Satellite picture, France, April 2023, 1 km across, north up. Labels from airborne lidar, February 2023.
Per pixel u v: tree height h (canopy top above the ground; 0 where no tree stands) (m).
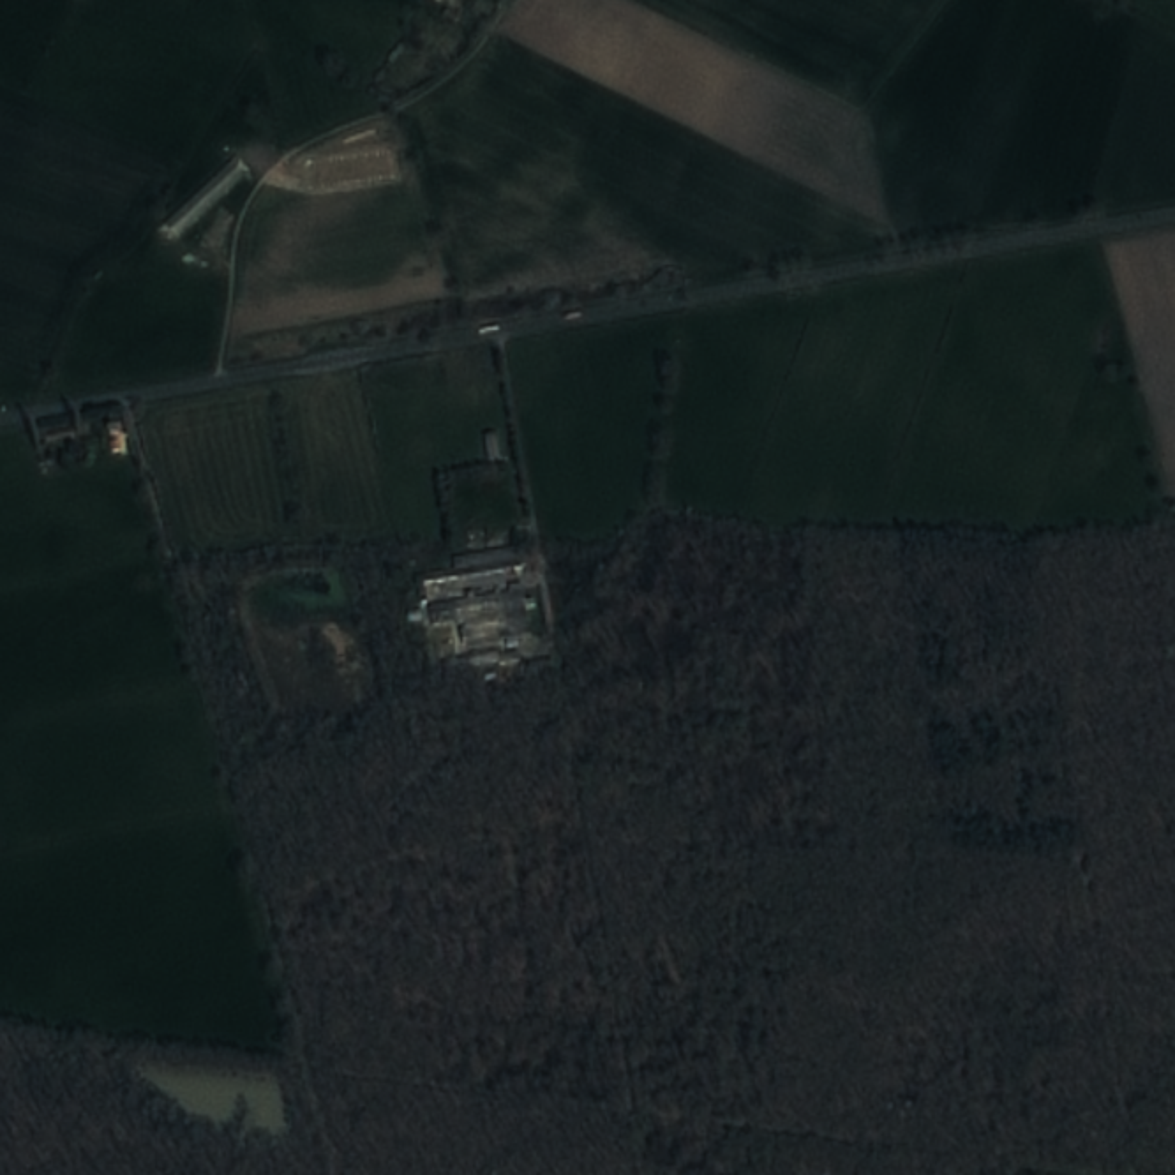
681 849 16
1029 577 23
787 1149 12
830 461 0
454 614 0
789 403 0
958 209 0
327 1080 21
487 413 0
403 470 0
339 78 15
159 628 0
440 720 21
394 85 0
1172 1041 17
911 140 0
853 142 0
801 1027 19
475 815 19
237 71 0
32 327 0
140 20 0
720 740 15
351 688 0
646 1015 18
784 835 20
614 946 22
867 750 20
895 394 0
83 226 0
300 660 0
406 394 0
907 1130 23
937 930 18
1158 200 0
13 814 0
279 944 17
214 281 0
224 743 12
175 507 0
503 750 21
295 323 0
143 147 0
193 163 0
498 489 0
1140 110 0
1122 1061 18
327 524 0
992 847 21
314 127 0
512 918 19
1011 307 0
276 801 24
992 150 0
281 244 0
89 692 0
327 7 0
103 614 0
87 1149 24
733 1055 20
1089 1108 23
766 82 0
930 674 21
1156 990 15
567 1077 21
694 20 0
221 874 0
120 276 0
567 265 0
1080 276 0
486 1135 23
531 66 0
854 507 0
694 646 9
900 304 0
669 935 22
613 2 0
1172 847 18
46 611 0
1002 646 20
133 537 0
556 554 13
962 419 0
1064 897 16
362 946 17
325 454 0
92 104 0
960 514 0
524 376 0
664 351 0
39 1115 25
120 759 0
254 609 0
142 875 0
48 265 0
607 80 0
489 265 0
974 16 0
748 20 0
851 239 0
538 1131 27
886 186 0
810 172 0
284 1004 17
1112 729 17
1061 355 0
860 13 0
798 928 21
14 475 0
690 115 0
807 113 0
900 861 24
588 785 19
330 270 0
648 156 0
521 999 17
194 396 0
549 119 0
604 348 0
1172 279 0
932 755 16
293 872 22
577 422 0
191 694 0
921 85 0
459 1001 14
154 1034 0
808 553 17
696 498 0
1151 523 11
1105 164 0
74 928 0
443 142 0
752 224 0
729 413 0
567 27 0
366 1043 18
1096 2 0
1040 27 0
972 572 24
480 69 0
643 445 0
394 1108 20
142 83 0
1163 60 0
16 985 0
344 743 20
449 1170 21
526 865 21
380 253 0
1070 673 17
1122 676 17
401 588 21
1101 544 12
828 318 0
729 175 0
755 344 0
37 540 0
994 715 12
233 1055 17
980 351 0
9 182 0
